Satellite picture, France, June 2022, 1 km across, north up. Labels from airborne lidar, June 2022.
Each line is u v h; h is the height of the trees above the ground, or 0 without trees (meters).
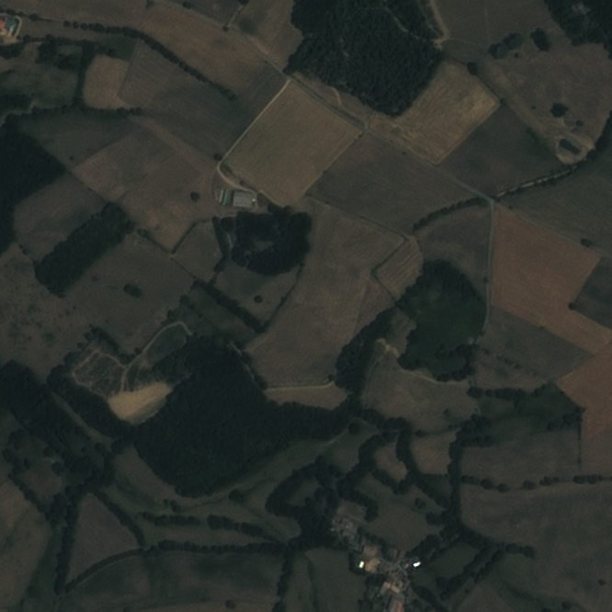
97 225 14
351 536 0
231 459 20
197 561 0
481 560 15
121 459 0
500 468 0
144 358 0
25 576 0
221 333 0
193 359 21
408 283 0
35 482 0
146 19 0
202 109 0
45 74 0
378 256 0
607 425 0
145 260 0
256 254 15
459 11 0
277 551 17
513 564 0
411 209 0
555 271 0
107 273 0
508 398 17
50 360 0
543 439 0
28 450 0
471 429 18
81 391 21
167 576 0
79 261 15
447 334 0
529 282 0
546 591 0
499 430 0
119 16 0
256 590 0
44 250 0
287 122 0
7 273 0
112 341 14
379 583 7
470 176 0
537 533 0
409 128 0
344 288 0
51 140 0
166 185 0
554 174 7
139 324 0
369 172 0
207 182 0
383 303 0
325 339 0
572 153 0
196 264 0
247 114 0
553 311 0
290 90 0
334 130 0
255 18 0
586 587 0
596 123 0
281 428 19
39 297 0
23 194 10
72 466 17
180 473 17
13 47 9
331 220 0
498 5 0
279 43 0
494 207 0
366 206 0
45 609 0
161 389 0
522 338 0
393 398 0
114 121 0
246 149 0
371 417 20
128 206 0
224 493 0
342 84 12
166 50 8
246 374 13
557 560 0
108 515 0
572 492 0
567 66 0
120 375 0
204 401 20
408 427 18
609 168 0
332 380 12
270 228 17
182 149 0
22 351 0
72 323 0
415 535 0
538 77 0
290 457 0
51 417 26
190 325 0
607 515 0
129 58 0
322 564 0
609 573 0
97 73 0
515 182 0
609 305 0
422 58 21
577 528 0
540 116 0
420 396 0
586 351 0
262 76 0
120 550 0
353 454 0
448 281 9
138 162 0
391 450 0
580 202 0
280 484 0
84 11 0
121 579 0
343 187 0
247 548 10
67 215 0
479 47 0
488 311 0
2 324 0
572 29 9
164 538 0
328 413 13
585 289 0
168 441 15
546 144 0
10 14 9
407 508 0
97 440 0
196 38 0
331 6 24
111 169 0
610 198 0
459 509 11
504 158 0
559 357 0
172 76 0
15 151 12
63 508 18
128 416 0
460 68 0
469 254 0
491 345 0
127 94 0
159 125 0
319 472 23
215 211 0
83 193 0
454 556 0
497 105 0
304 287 0
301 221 19
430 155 0
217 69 0
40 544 0
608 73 0
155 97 0
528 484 13
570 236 0
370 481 0
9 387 24
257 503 0
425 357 0
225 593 0
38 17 9
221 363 19
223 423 19
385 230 0
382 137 0
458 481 14
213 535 0
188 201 0
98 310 0
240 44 0
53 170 11
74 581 9
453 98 0
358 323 0
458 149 0
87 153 0
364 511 0
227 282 0
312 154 0
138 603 0
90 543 0
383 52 19
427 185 0
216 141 0
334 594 0
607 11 11
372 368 0
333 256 0
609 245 0
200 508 0
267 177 0
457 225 0
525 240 0
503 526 0
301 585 0
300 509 14
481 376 0
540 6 0
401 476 0
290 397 0
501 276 0
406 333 0
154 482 0
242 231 17
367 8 21
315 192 0
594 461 0
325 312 0
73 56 11
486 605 0
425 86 11
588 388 0
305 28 21
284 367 0
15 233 14
